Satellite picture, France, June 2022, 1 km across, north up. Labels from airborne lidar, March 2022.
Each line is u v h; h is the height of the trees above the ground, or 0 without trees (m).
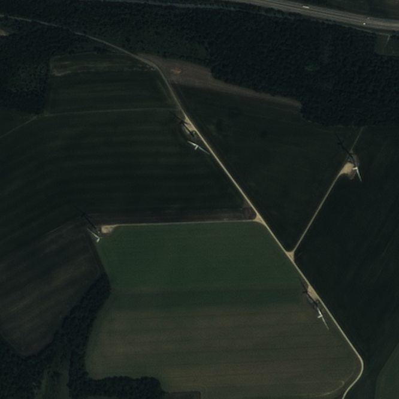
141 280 0
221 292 0
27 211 0
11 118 0
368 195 0
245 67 24
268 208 0
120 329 0
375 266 0
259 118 0
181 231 0
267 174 0
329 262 0
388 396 0
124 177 0
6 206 0
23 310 0
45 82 15
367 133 0
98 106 0
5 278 0
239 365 0
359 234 0
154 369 0
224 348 0
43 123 0
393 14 0
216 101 0
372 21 0
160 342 0
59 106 0
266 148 0
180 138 0
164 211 0
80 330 19
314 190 0
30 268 0
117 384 17
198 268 0
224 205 0
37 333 0
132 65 0
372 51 18
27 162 0
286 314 0
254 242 0
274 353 0
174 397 0
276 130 0
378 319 0
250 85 12
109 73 0
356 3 0
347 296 0
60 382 0
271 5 0
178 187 0
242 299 0
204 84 0
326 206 0
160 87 0
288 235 0
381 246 0
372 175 0
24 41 16
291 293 0
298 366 0
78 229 0
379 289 0
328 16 0
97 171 0
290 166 0
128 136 0
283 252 0
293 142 0
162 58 0
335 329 0
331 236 0
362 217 0
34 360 14
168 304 0
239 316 0
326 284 0
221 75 18
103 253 0
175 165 0
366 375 0
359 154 0
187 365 0
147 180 0
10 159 0
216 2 7
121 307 0
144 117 0
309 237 0
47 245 0
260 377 0
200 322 0
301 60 18
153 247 0
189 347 0
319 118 15
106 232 0
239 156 0
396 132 0
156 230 0
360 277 0
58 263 0
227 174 0
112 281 0
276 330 0
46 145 0
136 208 0
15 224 0
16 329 0
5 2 13
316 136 0
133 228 0
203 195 0
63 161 0
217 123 0
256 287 0
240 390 0
